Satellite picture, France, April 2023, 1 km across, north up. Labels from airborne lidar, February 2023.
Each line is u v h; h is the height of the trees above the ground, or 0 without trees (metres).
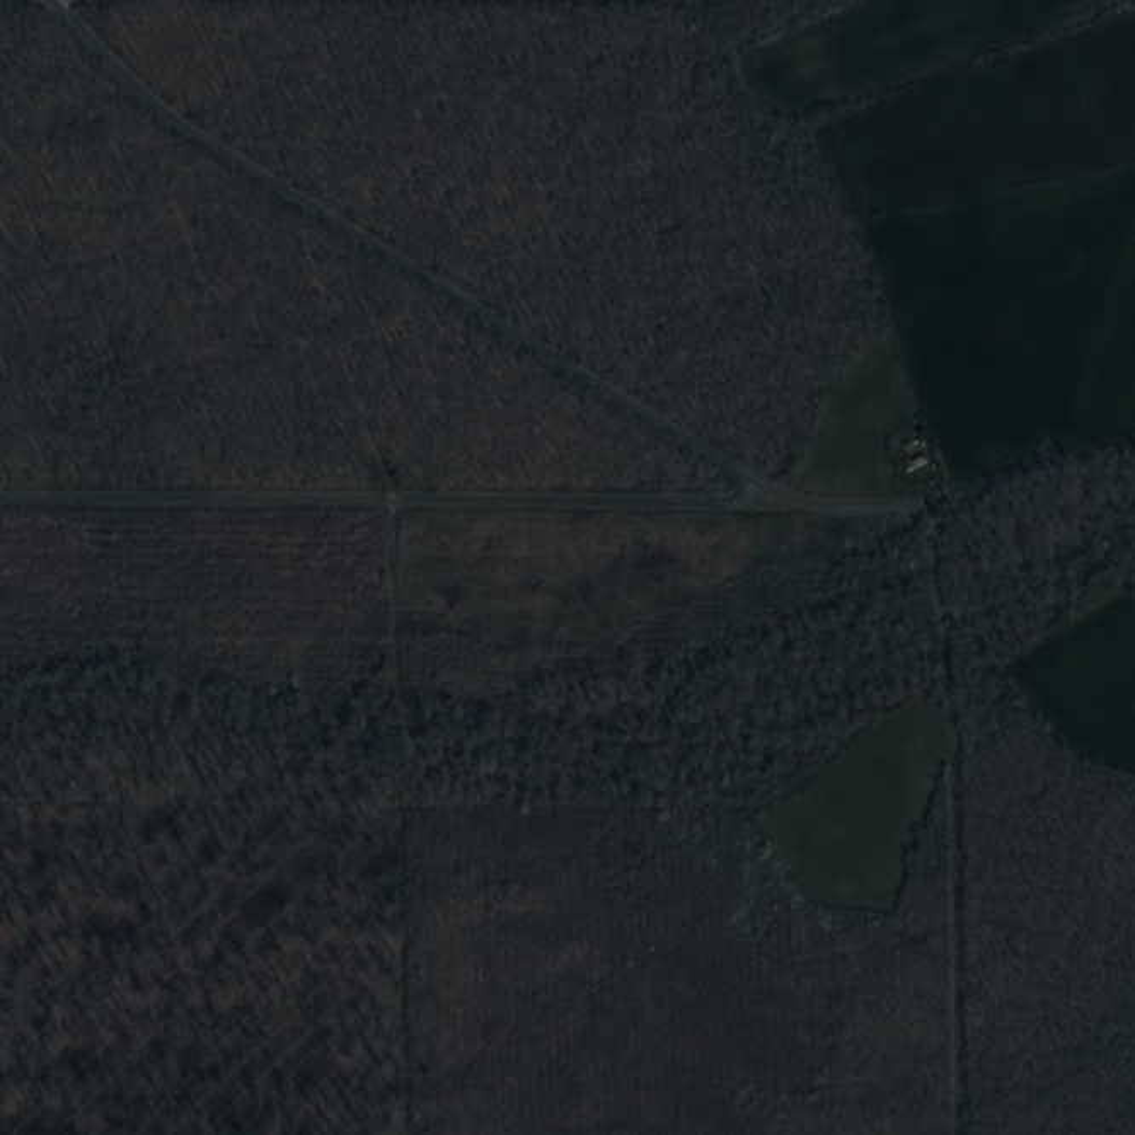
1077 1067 16
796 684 23
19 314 22
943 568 29
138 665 10
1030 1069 17
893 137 0
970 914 19
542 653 7
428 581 0
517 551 0
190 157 17
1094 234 0
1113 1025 15
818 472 0
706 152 18
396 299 22
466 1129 10
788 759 9
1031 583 20
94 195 18
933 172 0
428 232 19
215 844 29
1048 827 22
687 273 17
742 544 0
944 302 0
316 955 32
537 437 21
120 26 18
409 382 22
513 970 9
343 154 21
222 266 18
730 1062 7
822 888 0
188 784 27
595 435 21
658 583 0
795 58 0
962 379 0
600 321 21
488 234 22
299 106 20
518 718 12
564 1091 6
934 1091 14
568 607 0
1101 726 0
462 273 20
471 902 9
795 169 16
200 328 18
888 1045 14
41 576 7
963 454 0
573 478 21
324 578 6
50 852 0
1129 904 19
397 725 26
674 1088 6
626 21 17
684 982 7
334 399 16
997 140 0
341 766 26
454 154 20
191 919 30
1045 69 0
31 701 17
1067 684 0
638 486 6
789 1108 11
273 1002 31
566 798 22
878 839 0
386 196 20
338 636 6
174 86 15
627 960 8
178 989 0
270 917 0
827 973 7
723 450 17
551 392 21
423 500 0
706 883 6
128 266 16
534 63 17
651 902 6
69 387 19
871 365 0
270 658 7
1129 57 0
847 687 13
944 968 13
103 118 19
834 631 26
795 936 11
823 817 0
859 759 0
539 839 8
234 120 15
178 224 19
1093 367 0
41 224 20
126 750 28
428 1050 11
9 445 22
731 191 13
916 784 0
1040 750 18
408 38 16
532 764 28
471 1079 7
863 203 0
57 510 6
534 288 18
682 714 28
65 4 0
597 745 11
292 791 31
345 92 18
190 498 0
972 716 17
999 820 20
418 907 9
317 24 19
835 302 17
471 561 0
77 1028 33
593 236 22
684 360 21
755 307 17
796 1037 7
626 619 0
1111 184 0
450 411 21
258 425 21
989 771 19
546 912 9
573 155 18
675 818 7
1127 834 19
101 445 19
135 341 16
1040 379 0
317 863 0
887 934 9
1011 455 0
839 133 0
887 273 0
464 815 9
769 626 7
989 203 0
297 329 19
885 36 0
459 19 19
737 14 10
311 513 8
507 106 18
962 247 0
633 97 15
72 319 17
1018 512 31
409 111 22
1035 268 0
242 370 19
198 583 7
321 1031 30
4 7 16
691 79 17
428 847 6
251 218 19
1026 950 17
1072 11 0
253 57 19
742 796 13
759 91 0
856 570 8
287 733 12
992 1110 19
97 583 6
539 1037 8
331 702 7
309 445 21
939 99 0
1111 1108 17
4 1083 29
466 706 7
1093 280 0
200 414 20
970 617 26
